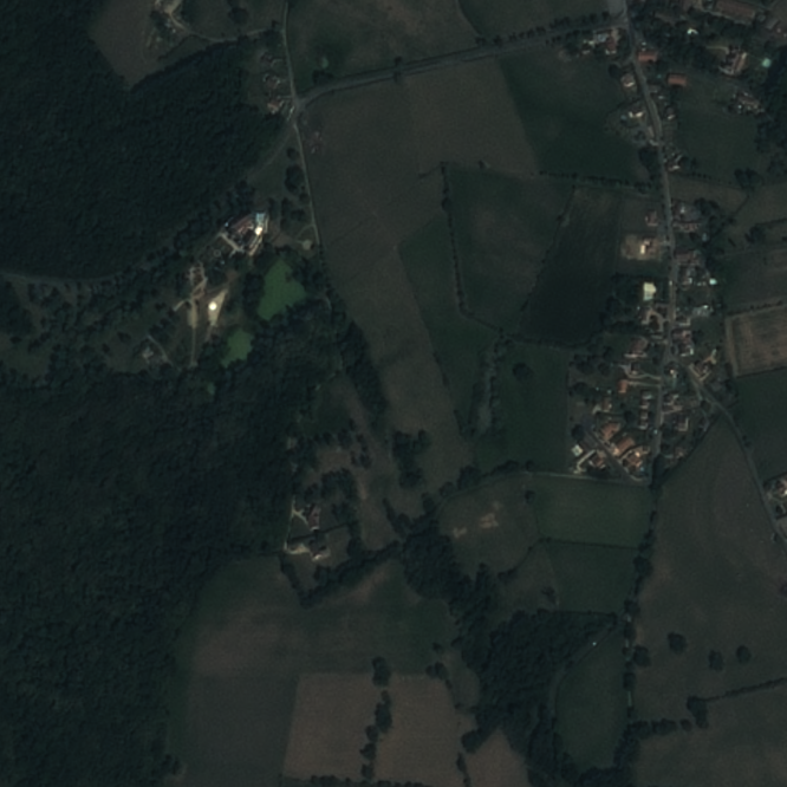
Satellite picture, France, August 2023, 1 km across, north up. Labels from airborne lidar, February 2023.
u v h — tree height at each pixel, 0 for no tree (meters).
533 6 0
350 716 0
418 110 0
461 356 0
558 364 0
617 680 0
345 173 0
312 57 0
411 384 0
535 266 0
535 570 0
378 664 14
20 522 22
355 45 0
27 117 16
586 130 0
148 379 20
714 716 0
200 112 11
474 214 0
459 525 0
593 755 0
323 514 0
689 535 0
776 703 0
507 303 0
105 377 22
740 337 0
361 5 0
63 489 21
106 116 24
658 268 0
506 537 0
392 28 0
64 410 25
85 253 19
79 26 19
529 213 0
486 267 0
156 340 16
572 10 0
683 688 0
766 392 0
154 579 25
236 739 0
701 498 0
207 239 24
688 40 12
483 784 0
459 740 0
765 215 0
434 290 0
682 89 9
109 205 19
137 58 0
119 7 0
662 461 12
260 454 21
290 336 20
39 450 23
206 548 16
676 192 0
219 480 24
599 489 0
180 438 20
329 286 9
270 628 0
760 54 0
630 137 0
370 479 0
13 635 20
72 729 16
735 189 0
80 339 22
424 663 0
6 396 19
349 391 0
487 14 0
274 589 0
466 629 17
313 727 0
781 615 0
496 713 19
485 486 0
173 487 21
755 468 0
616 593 0
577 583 0
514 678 15
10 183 19
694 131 0
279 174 0
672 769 0
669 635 0
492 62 0
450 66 0
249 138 23
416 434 0
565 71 0
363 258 0
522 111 0
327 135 0
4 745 16
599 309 0
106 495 21
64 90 19
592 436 0
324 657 0
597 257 0
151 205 19
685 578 0
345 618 0
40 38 21
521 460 0
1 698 20
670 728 17
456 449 0
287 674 0
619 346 0
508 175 0
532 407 0
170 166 19
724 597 0
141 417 21
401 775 0
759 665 0
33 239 23
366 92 0
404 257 0
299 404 22
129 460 25
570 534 0
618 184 10
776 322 0
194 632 0
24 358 0
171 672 15
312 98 0
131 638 27
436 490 0
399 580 0
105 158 22
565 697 0
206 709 0
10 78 19
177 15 0
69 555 25
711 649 0
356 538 20
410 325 0
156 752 18
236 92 23
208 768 0
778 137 17
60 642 16
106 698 18
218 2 0
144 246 16
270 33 10
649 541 14
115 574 27
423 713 0
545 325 0
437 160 0
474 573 0
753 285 0
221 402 19
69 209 15
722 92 0
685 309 0
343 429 0
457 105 0
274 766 0
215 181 21
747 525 0
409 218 0
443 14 0
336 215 0
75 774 20
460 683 0
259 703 0
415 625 0
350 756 0
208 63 27
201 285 0
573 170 0
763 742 0
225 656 0
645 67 0
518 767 0
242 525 0
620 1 0
